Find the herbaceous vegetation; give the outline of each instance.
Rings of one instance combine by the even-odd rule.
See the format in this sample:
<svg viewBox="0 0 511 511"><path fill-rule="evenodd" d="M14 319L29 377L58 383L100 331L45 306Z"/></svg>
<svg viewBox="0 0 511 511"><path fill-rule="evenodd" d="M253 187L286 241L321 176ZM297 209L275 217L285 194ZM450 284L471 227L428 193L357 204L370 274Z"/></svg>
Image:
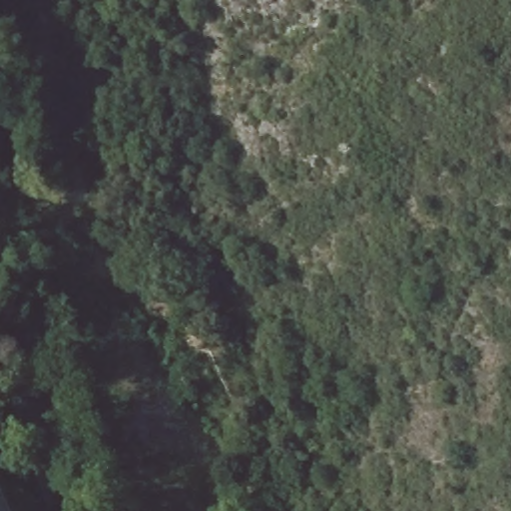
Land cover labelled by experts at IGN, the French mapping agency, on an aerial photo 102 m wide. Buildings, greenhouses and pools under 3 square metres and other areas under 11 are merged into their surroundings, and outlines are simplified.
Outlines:
<svg viewBox="0 0 511 511"><path fill-rule="evenodd" d="M259 2L261 16L271 12L285 16L287 0L265 0Z"/></svg>
<svg viewBox="0 0 511 511"><path fill-rule="evenodd" d="M441 0L409 0L411 16L415 20L425 20L425 14L439 6Z"/></svg>
<svg viewBox="0 0 511 511"><path fill-rule="evenodd" d="M321 10L337 12L341 8L341 0L315 0L313 12L303 12L295 24L285 28L285 36L291 36L295 30L311 28L313 20L321 22Z"/></svg>
<svg viewBox="0 0 511 511"><path fill-rule="evenodd" d="M246 154L259 156L259 138L263 134L269 134L279 142L279 154L289 156L287 134L291 132L281 122L261 122L259 126L246 126L244 122L248 122L248 118L244 114L236 116L234 126L236 136L242 142Z"/></svg>
<svg viewBox="0 0 511 511"><path fill-rule="evenodd" d="M216 28L214 22L206 24L206 36L212 36L216 42L216 50L210 54L214 96L234 92L234 86L228 86L224 68L224 56L230 50L228 36Z"/></svg>
<svg viewBox="0 0 511 511"><path fill-rule="evenodd" d="M210 349L202 345L200 337L188 335L188 343L192 345L186 351L190 363L182 369L188 383L200 377L210 379L218 375L218 381L222 383L224 391L230 391L230 383L222 371L222 367L226 365L226 357L222 355L224 347Z"/></svg>
<svg viewBox="0 0 511 511"><path fill-rule="evenodd" d="M407 387L407 399L413 407L411 429L407 433L409 445L415 447L423 457L427 457L435 465L447 461L445 453L441 447L433 447L429 443L433 429L437 429L437 425L443 423L441 411L433 407L433 391L437 379Z"/></svg>
<svg viewBox="0 0 511 511"><path fill-rule="evenodd" d="M483 359L479 365L473 367L477 379L475 391L479 401L479 415L471 419L471 423L481 425L493 423L493 411L501 399L497 377L501 365L497 363L497 359L501 355L501 343L493 341L491 335L487 335L477 343L477 347L483 353Z"/></svg>
<svg viewBox="0 0 511 511"><path fill-rule="evenodd" d="M495 118L499 120L499 148L505 154L511 152L511 106L503 106L495 112Z"/></svg>
<svg viewBox="0 0 511 511"><path fill-rule="evenodd" d="M327 248L313 246L311 257L303 255L297 259L303 271L305 289L313 289L313 283L319 275L333 271L339 263L339 240L331 232Z"/></svg>

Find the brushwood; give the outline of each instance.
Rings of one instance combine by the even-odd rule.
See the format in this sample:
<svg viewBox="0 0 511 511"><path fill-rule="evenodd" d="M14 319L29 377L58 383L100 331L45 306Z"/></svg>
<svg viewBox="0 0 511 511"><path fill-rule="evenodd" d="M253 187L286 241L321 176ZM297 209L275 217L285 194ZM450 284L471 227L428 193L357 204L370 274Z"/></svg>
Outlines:
<svg viewBox="0 0 511 511"><path fill-rule="evenodd" d="M198 24L198 10L194 10L194 0L178 0L178 12L190 28L196 28Z"/></svg>
<svg viewBox="0 0 511 511"><path fill-rule="evenodd" d="M210 469L216 465L216 455L220 451L218 443L214 441L214 437L204 433L202 423L190 419L170 399L166 391L168 371L162 365L164 353L152 341L122 339L118 333L122 313L134 311L136 305L112 305L110 291L116 287L116 283L108 267L108 259L112 254L90 236L96 212L88 206L86 198L86 194L94 190L94 184L104 176L104 164L100 160L100 142L96 138L92 116L96 88L104 86L112 74L102 68L92 68L86 64L86 48L78 42L78 30L64 24L62 18L56 14L56 6L60 0L10 0L10 12L6 16L14 18L20 42L26 46L42 46L42 86L38 92L38 100L44 110L42 130L50 136L52 146L36 158L36 168L50 190L64 190L64 202L70 206L70 212L66 216L48 220L36 236L38 242L50 250L50 254L60 257L60 265L66 269L58 277L56 287L68 295L68 301L74 307L74 325L94 325L94 335L92 341L88 341L88 349L92 361L98 365L102 391L108 393L110 385L122 379L136 383L136 391L132 391L128 397L126 415L118 419L114 425L120 439L120 453L128 469L132 471L134 483L150 501L152 511L208 511L212 505L218 503Z"/></svg>
<svg viewBox="0 0 511 511"><path fill-rule="evenodd" d="M246 411L248 421L240 425L238 437L238 453L246 453L252 459L250 479L244 487L240 487L240 501L248 511L511 511L511 152L505 154L499 148L499 120L495 118L495 112L503 106L511 106L511 0L441 0L439 6L425 14L425 20L415 20L411 16L409 0L341 0L341 8L337 12L321 10L321 22L313 20L311 28L295 30L291 36L285 36L285 28L295 24L303 12L313 12L315 0L287 0L285 16L271 12L261 16L259 2L265 0L216 0L224 14L214 22L216 28L228 36L230 50L224 56L224 68L228 86L234 86L234 92L214 96L214 114L222 120L228 120L234 126L236 116L244 114L248 118L248 122L244 122L246 126L259 126L261 122L281 122L291 132L287 134L289 156L279 154L279 142L269 134L263 134L259 138L259 156L246 154L240 166L232 164L228 158L220 164L220 174L224 176L230 192L228 204L236 214L230 222L222 216L214 216L212 220L202 218L200 226L202 234L210 238L212 244L216 244L218 248L228 236L232 236L242 244L255 246L259 254L265 255L265 259L277 259L277 283L269 287L263 285L250 293L254 297L250 313L257 325L261 325L263 321L271 321L281 329L283 347L291 355L291 371L285 381L289 389L289 407L295 415L287 421L281 419L273 411L271 403L265 397L261 397L252 365L254 343L250 339L242 345L234 341L224 341L224 347L222 355L226 357L226 365L222 367L222 371L230 383L230 391L234 397L244 395L254 401L254 405L250 405ZM333 271L319 275L313 283L313 289L305 289L303 271L297 259L303 255L311 257L313 246L327 248L331 232L339 240L339 263ZM425 299L425 303L417 303L409 309L401 297L401 277L421 277L429 269L433 271L435 279L431 285L431 293ZM497 359L497 363L501 365L497 377L501 399L493 411L493 423L481 425L471 423L471 419L479 415L479 401L475 391L477 379L473 367L479 365L483 359L483 353L477 347L477 343L487 335L491 335L493 341L501 343L501 355ZM303 347L313 351L313 359L319 367L327 367L327 373L323 377L323 393L327 399L339 395L335 383L337 371L349 375L353 383L357 383L363 391L363 395L353 405L353 413L349 415L345 427L341 429L327 429L321 433L317 431L317 411L309 401L303 399L303 383L309 377L307 367L303 365ZM441 447L445 453L449 445L457 447L459 441L469 441L473 447L477 447L477 465L471 469L453 469L447 461L435 465L427 457L423 457L415 447L409 445L407 433L411 429L413 407L407 399L407 387L437 379L433 391L433 407L441 411L443 423L437 425L437 429L433 429L429 443L433 447Z"/></svg>

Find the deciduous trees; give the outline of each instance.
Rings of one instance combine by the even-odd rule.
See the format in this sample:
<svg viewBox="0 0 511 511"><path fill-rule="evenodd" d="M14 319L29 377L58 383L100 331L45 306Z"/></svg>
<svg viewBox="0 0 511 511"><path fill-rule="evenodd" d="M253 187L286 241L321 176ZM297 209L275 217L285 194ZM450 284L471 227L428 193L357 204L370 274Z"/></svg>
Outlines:
<svg viewBox="0 0 511 511"><path fill-rule="evenodd" d="M409 309L417 303L425 303L425 299L431 293L431 285L435 279L433 271L429 269L421 277L401 277L401 297Z"/></svg>
<svg viewBox="0 0 511 511"><path fill-rule="evenodd" d="M317 431L321 433L327 429L341 429L345 427L349 415L353 413L353 405L363 395L363 391L357 383L353 383L349 375L337 371L335 383L339 395L327 399L323 393L323 377L327 373L327 367L319 367L313 359L313 351L303 347L303 365L307 367L309 377L303 383L303 399L309 401L317 411Z"/></svg>
<svg viewBox="0 0 511 511"><path fill-rule="evenodd" d="M244 487L250 479L252 459L246 453L238 453L238 437L240 425L248 421L246 411L250 405L254 405L254 401L244 395L234 397L230 391L224 391L222 383L218 381L218 375L210 379L200 377L188 383L182 369L190 363L186 351L192 345L188 343L188 335L200 337L202 345L210 349L224 347L224 341L234 341L242 345L250 339L254 343L252 365L261 397L265 397L271 403L273 411L281 419L287 421L295 415L289 407L289 389L285 381L291 371L291 355L283 347L281 329L271 321L263 321L261 325L257 325L250 313L254 297L250 293L263 285L269 287L277 283L277 259L265 259L265 255L259 254L255 246L242 244L232 236L228 236L218 248L216 244L212 244L210 238L202 234L200 226L202 218L212 220L214 216L222 216L230 222L236 214L228 204L230 192L224 176L220 174L220 164L228 158L232 164L240 166L246 154L242 142L236 136L234 126L228 120L222 120L214 114L214 96L210 54L216 50L216 42L212 36L206 36L206 24L214 22L224 14L216 0L194 0L194 10L198 10L198 24L196 28L190 28L178 12L178 0L60 0L56 6L56 14L62 18L64 24L78 30L78 42L86 48L86 64L92 68L102 68L112 74L104 86L96 88L92 116L96 138L100 142L100 160L104 164L104 176L94 184L94 190L86 194L86 198L88 206L96 212L90 236L112 254L108 259L108 267L116 283L116 287L110 291L112 305L136 305L134 311L122 313L118 333L122 339L152 341L164 353L162 365L168 371L166 391L170 399L190 419L202 423L204 433L214 437L214 441L218 443L220 451L216 455L216 465L210 469L218 503L212 505L208 511L248 511L240 501L240 487Z"/></svg>
<svg viewBox="0 0 511 511"><path fill-rule="evenodd" d="M459 441L457 447L449 445L445 453L447 461L453 469L471 469L477 465L477 447L473 447L469 441Z"/></svg>
<svg viewBox="0 0 511 511"><path fill-rule="evenodd" d="M102 391L98 365L92 361L88 349L88 341L92 341L94 335L94 325L74 325L74 307L68 301L68 295L56 287L58 277L66 269L60 265L60 257L50 254L50 250L38 242L36 236L48 220L66 216L70 212L70 206L64 202L64 190L50 190L36 168L36 158L52 146L50 136L42 130L44 110L38 100L38 92L42 86L42 46L26 46L20 42L14 18L6 16L10 12L10 0L0 0L0 511L152 511L150 501L134 483L132 471L128 469L120 453L120 439L114 425L118 419L126 415L128 397L132 391L136 391L136 383L122 379L110 385L108 393Z"/></svg>

